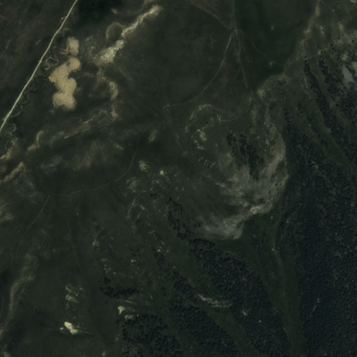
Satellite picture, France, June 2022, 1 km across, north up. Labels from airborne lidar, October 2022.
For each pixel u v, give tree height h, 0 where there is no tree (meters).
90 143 0
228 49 0
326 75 8
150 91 0
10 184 0
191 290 13
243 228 0
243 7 0
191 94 0
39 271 0
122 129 0
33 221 0
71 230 0
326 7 0
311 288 10
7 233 0
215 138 0
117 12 0
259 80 0
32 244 0
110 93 0
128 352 11
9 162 0
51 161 0
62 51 0
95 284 0
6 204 0
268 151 0
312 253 12
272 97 0
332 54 0
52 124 0
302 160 10
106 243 0
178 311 18
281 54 0
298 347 0
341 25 0
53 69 0
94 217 0
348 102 7
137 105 0
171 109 0
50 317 0
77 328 0
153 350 12
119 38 0
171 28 0
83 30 0
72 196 0
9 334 0
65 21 0
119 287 0
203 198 0
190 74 0
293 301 0
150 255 0
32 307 0
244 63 0
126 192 0
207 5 0
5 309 0
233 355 11
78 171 0
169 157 0
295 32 0
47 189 0
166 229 0
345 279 12
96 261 0
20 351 0
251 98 0
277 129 0
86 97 0
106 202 0
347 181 8
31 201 0
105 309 0
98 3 0
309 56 0
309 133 0
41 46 0
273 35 0
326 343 11
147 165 0
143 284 0
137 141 0
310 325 6
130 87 0
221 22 0
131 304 0
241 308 8
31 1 0
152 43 0
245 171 0
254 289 12
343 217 17
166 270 7
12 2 0
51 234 0
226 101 0
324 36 0
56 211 0
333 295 12
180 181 0
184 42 0
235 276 16
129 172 0
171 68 0
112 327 0
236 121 0
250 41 0
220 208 0
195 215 0
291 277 0
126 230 0
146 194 0
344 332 8
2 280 0
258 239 9
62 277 0
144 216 0
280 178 0
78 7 0
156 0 0
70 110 0
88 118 0
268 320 14
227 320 0
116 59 0
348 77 0
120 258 0
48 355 0
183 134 0
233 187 0
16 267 0
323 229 8
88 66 0
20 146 0
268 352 14
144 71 0
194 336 7
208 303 7
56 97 0
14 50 0
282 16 0
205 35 0
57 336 0
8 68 0
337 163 0
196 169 0
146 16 0
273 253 0
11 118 0
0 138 0
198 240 16
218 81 0
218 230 0
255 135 0
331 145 0
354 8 0
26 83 0
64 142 0
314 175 11
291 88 0
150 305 0
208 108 0
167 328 21
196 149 0
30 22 0
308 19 0
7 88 0
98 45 0
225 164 0
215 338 14
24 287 0
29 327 0
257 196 0
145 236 0
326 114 8
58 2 0
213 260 19
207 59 0
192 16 0
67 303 0
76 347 0
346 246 10
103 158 0
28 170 0
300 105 8
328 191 10
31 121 0
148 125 0
